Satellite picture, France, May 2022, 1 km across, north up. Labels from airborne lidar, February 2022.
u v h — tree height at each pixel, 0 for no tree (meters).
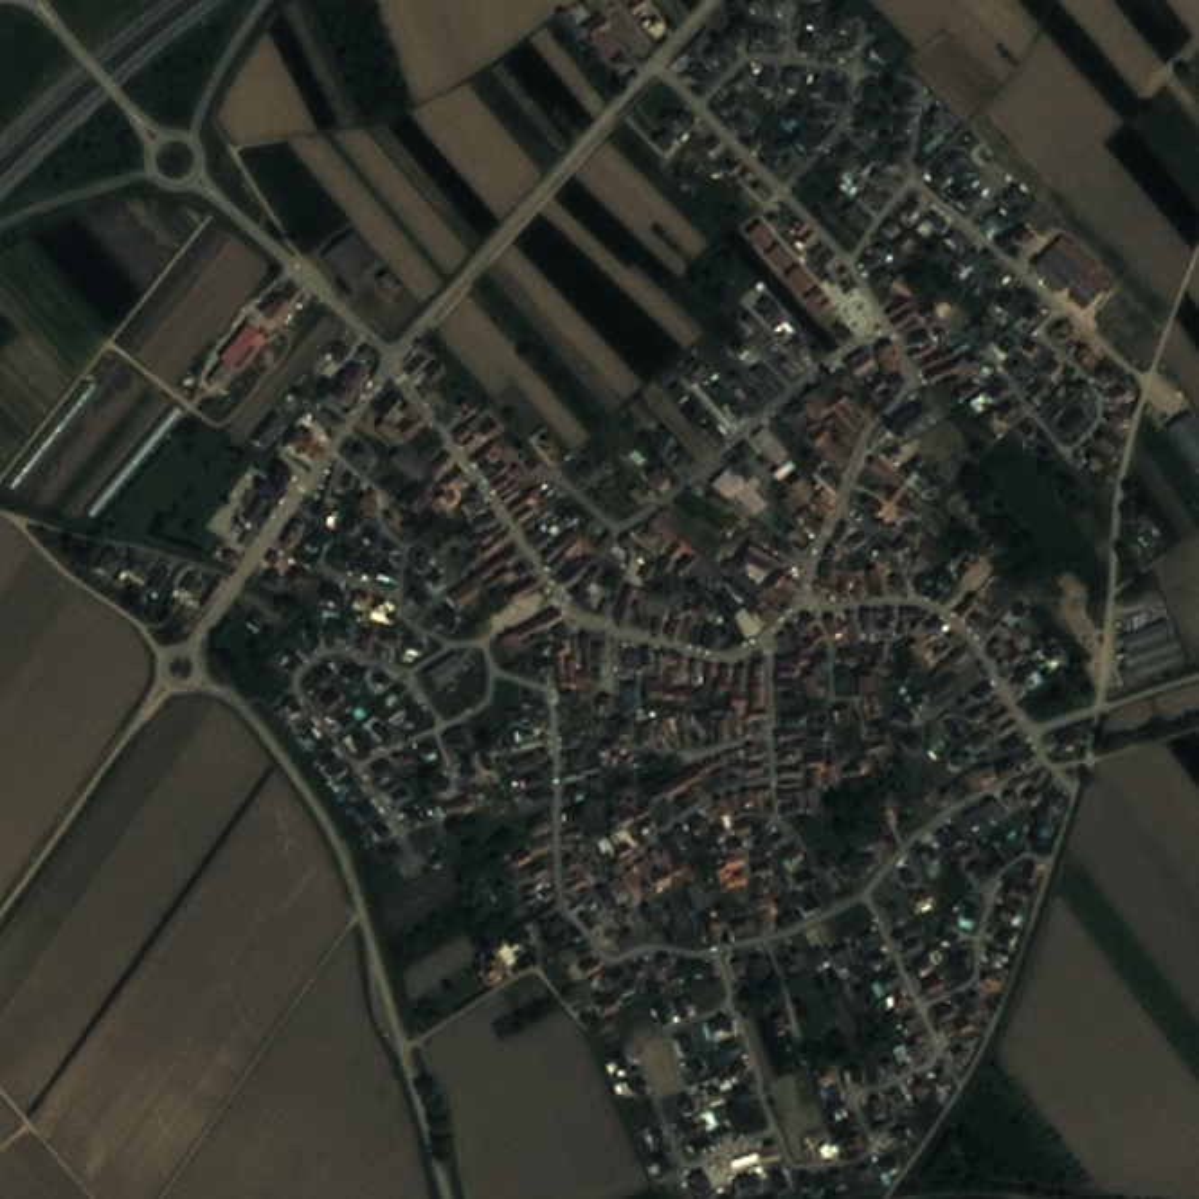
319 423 0
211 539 0
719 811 0
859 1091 0
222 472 0
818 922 0
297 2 0
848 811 7
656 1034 0
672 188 0
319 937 0
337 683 0
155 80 0
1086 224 0
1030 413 0
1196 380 0
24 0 0
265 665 0
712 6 0
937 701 0
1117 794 0
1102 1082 0
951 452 0
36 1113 0
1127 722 0
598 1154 0
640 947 0
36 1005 0
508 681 0
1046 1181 0
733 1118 0
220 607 0
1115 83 0
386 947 0
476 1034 0
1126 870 0
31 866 0
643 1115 0
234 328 0
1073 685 6
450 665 0
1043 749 0
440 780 9
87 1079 0
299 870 0
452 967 0
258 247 0
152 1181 0
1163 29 0
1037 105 0
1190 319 0
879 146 0
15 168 0
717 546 0
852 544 0
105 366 0
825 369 11
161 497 0
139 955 0
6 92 0
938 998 0
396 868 0
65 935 0
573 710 0
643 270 0
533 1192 0
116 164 0
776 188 0
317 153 0
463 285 0
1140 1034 0
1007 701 0
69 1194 0
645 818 0
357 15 9
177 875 0
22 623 0
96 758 0
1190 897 0
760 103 0
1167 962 0
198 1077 0
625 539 0
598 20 0
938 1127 0
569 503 0
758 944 0
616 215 0
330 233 0
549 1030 0
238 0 0
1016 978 0
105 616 0
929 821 0
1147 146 0
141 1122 0
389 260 0
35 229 0
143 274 0
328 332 0
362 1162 0
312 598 0
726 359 0
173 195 0
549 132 0
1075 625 0
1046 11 0
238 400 0
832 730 0
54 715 0
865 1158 0
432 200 0
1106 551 0
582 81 0
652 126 0
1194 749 0
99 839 0
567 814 7
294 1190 0
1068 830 0
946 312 0
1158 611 0
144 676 0
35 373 0
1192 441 0
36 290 0
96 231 0
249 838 0
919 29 0
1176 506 0
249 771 0
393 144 0
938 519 0
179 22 0
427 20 0
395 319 0
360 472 0
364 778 0
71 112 0
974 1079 0
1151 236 0
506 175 0
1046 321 0
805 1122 0
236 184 0
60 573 0
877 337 0
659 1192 0
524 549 0
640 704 0
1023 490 0
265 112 0
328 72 0
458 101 0
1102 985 0
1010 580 0
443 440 0
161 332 0
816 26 0
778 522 0
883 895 0
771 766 0
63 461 0
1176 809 0
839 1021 0
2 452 0
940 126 0
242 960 0
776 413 0
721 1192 0
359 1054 0
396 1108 0
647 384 0
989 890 0
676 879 0
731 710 0
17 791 0
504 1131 0
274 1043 0
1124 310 0
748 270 0
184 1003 0
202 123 0
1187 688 0
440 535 0
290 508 0
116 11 0
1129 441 0
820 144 0
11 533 0
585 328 0
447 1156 15
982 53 0
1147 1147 0
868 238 0
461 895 7
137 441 0
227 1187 0
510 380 0
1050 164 0
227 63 0
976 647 0
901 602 0
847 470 0
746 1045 0
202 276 0
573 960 0
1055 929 0
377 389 0
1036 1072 0
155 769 0
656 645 0
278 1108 0
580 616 0
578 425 0
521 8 0
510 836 13
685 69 0
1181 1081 0
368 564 0
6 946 0
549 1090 0
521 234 0
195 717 0
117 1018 0
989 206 0
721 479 0
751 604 0
